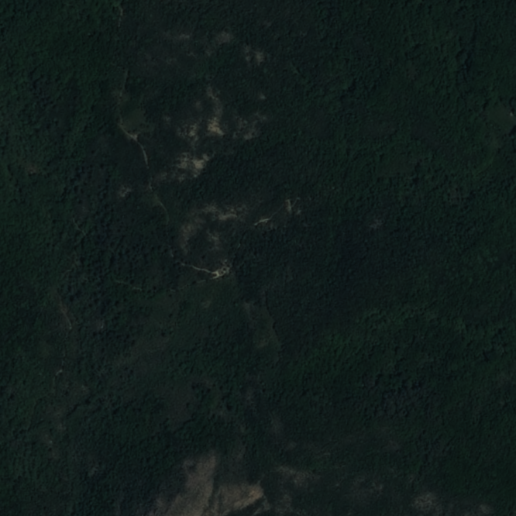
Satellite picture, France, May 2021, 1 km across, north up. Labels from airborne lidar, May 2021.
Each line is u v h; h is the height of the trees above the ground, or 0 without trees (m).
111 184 16
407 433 10
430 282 11
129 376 10
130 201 13
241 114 12
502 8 15
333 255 20
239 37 10
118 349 11
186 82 11
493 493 12
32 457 21
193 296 6
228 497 0
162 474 11
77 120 19
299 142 14
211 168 14
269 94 12
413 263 13
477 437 10
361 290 11
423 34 15
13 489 15
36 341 7
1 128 22
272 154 14
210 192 12
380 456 8
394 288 10
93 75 15
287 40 12
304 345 16
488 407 13
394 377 15
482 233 11
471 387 12
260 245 7
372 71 12
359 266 13
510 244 17
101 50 18
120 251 14
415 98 13
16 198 12
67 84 9
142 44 7
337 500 7
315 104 11
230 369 9
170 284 6
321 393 18
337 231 17
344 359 14
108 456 6
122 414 16
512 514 11
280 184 11
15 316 12
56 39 22
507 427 10
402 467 16
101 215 16
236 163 18
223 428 12
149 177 6
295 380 15
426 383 19
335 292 18
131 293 12
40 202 18
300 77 16
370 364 17
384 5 16
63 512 9
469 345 15
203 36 8
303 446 8
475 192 13
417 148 13
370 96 19
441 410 13
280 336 11
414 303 18
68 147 13
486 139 15
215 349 8
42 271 8
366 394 14
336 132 23
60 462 11
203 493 0
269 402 6
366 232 14
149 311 9
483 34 28
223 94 6
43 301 12
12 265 12
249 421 7
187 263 13
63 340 8
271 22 8
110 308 13
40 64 21
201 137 6
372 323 9
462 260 12
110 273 13
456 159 8
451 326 11
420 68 16
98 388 11
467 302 10
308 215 15
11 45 14
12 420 14
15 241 11
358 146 13
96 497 15
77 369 6
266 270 11
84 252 8
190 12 12
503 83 22
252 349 6
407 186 13
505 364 10
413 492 7
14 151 22
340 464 7
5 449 13
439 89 18
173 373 12
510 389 14
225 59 9
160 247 15
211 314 6
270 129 13
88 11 20
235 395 7
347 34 15
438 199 15
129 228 8
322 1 13
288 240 12
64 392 10
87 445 7
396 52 18
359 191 16
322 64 17
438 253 7
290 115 9
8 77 17
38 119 11
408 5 25
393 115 9
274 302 12
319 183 16
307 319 14
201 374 10
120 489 9
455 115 16
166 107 17
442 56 14
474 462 11
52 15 24
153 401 6
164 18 5
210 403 15
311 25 17
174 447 6
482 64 25
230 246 9
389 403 28
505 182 15
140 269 6
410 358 12
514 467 15
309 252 12
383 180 12
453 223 13
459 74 20
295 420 7
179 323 8
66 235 16
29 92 10
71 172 19
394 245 17
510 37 13
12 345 12
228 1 8
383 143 16
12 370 13
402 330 15
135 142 7
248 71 6
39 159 23
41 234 15
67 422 13
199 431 14
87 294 15
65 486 9
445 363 13
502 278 13
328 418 15
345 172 6
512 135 16
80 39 19
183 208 6
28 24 23
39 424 14
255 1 7
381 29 18
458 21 20
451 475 15
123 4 14
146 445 15
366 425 8
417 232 11
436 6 20
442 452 19
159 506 0
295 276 9
